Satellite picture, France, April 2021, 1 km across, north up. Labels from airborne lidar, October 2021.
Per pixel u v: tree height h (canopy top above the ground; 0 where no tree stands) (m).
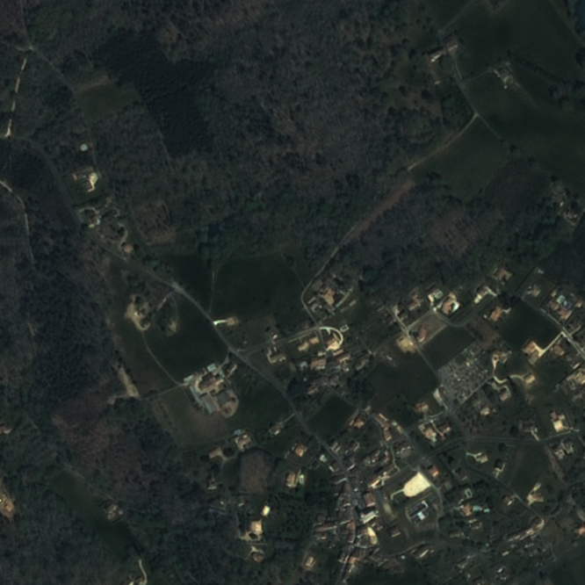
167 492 12
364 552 0
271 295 0
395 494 0
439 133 20
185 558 26
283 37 17
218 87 16
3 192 8
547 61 0
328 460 0
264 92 14
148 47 13
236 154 14
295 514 7
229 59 11
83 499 0
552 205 9
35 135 7
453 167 0
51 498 24
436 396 0
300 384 8
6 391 22
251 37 16
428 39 0
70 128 10
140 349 0
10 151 7
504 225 17
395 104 0
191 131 13
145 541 12
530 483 0
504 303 6
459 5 0
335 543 8
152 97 14
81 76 15
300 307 0
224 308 0
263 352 7
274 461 7
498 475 0
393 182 14
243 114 18
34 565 14
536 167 18
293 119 12
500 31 0
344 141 20
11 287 13
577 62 0
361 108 9
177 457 16
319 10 7
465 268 19
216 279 0
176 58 21
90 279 13
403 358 0
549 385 0
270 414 0
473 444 0
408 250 15
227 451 7
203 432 0
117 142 11
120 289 0
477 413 6
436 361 0
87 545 18
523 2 0
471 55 0
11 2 9
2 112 18
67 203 0
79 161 13
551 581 0
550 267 13
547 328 0
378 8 19
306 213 13
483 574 6
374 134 12
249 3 15
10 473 13
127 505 20
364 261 15
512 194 10
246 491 13
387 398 0
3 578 14
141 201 12
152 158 11
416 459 0
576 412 10
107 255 15
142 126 14
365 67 13
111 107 0
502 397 0
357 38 11
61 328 19
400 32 19
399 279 14
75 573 16
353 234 9
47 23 20
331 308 8
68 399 21
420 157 24
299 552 11
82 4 10
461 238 23
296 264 15
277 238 21
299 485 8
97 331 16
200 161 16
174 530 17
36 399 18
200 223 14
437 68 0
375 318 0
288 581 22
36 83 12
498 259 20
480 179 0
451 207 24
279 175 15
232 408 0
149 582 12
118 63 15
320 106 14
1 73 16
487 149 0
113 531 0
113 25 10
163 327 16
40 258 22
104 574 21
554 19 0
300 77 6
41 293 20
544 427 0
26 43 8
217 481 0
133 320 0
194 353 0
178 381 0
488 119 0
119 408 16
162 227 0
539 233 9
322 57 9
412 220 17
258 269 0
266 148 18
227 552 22
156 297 6
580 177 0
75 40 9
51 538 17
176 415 0
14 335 20
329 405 0
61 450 24
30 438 11
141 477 7
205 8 9
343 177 7
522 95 0
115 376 10
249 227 25
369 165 15
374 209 9
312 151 7
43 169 9
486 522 19
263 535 5
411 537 0
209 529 16
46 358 12
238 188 15
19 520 17
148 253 0
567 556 0
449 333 0
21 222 11
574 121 0
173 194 19
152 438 16
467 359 0
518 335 0
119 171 11
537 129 0
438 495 0
